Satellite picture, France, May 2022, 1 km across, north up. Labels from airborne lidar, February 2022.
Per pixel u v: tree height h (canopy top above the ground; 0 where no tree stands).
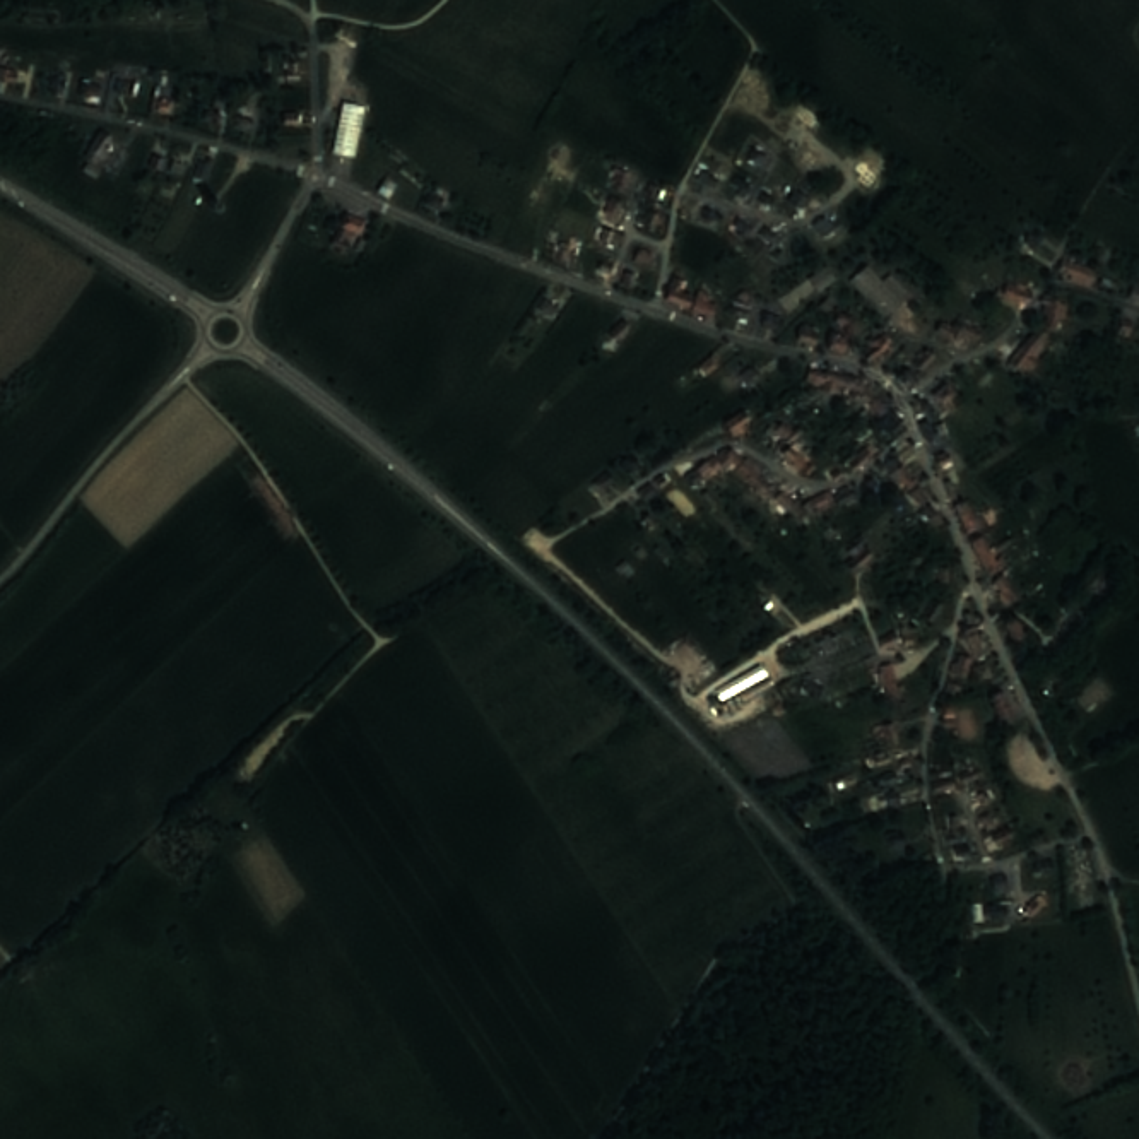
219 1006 0
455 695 0
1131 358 0
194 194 0
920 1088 0
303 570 0
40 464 0
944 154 0
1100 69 0
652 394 0
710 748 0
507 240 0
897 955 13
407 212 0
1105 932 0
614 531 0
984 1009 0
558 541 0
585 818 0
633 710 8
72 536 0
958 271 0
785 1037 28
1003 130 0
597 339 0
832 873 9
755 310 0
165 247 0
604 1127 0
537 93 0
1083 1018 0
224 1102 0
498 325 0
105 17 6
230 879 0
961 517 0
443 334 0
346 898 0
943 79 8
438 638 0
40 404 0
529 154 0
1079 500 11
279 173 8
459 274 0
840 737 0
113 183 0
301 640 0
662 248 0
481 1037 0
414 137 0
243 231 0
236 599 0
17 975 10
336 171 0
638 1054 0
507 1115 7
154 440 0
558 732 0
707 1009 17
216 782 11
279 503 0
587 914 0
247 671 0
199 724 0
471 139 0
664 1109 10
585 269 0
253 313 0
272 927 0
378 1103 0
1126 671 0
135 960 0
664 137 0
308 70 0
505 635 0
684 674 0
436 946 0
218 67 0
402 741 0
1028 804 0
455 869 0
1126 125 0
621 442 0
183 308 0
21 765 0
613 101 0
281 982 0
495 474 0
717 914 0
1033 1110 0
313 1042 0
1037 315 12
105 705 0
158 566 0
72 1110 0
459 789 0
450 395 0
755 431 0
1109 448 0
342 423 0
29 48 0
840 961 23
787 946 23
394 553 0
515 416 0
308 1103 0
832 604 0
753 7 0
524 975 0
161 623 0
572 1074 0
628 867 0
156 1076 0
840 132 14
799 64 0
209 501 0
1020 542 0
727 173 0
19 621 0
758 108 0
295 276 0
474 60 0
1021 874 0
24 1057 0
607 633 8
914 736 11
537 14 0
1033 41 0
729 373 0
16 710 0
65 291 0
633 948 0
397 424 0
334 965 0
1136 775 0
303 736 0
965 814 0
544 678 0
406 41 0
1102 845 0
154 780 0
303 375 0
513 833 0
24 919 0
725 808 0
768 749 0
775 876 0
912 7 0
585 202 0
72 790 0
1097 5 0
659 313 0
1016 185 0
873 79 0
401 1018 0
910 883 17
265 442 0
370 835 0
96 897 11
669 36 17
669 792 0
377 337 0
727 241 0
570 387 0
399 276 0
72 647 0
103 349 0
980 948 10
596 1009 0
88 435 0
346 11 0
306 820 0
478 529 0
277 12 0
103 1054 0
